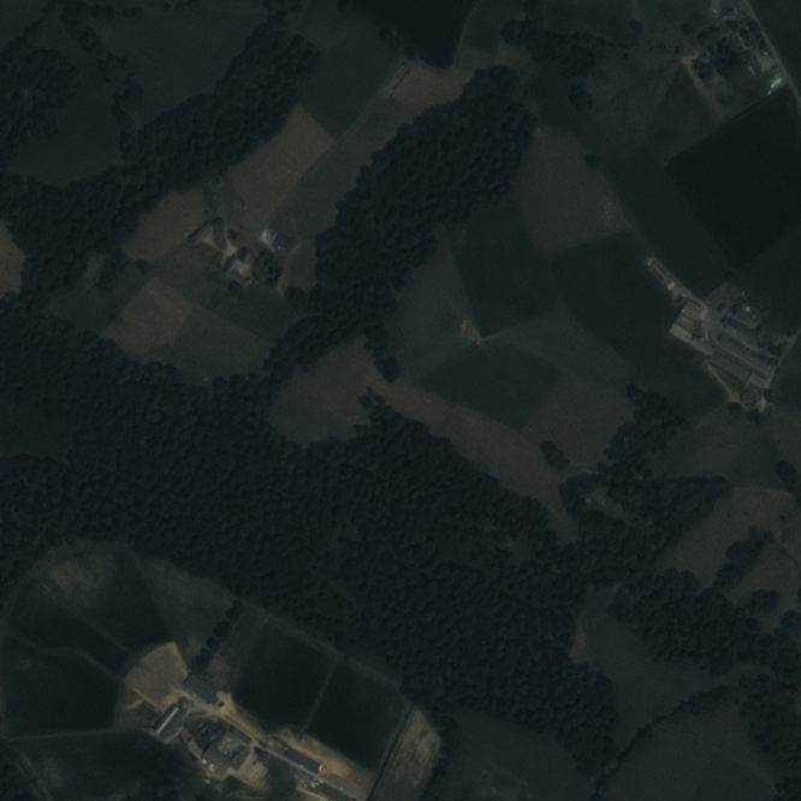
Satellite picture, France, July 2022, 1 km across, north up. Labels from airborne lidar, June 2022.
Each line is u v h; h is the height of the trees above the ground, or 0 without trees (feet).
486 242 0
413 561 104
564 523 0
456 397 0
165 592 0
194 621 0
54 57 72
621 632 0
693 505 71
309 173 0
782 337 0
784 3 0
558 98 0
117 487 65
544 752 0
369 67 0
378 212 97
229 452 90
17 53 79
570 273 0
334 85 0
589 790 0
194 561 93
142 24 0
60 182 0
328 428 0
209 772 0
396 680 0
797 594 0
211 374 0
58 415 63
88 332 22
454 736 59
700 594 24
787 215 0
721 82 0
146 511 44
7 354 82
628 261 0
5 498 100
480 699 91
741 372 0
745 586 0
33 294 79
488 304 0
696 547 0
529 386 0
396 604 83
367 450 86
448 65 0
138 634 0
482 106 75
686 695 0
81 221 92
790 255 0
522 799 0
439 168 85
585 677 97
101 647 0
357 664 0
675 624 37
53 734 0
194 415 97
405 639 105
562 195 0
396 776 0
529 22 43
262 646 0
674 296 0
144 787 0
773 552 0
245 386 75
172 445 101
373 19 0
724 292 0
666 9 0
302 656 0
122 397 92
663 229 0
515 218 0
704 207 0
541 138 0
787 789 42
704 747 0
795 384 0
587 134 0
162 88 0
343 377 0
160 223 0
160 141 82
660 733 0
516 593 28
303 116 0
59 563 0
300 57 95
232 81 67
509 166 70
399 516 126
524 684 111
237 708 0
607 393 0
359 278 72
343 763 0
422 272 0
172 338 0
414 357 0
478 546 24
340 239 80
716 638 26
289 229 0
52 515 98
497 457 0
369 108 0
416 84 0
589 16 0
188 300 0
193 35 0
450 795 0
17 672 0
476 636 103
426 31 0
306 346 111
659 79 0
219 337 0
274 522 65
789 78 0
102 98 0
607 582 87
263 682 0
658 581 66
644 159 0
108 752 0
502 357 0
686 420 43
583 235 0
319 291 58
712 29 27
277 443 104
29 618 0
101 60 53
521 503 77
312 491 88
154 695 0
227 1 0
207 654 48
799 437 0
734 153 0
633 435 81
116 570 0
